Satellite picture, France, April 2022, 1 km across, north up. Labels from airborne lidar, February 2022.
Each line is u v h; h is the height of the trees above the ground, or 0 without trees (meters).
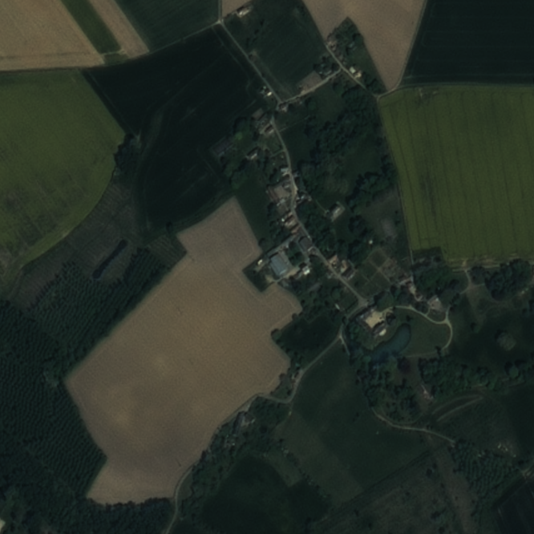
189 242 0
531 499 0
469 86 0
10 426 26
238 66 0
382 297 17
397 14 0
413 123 0
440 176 0
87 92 0
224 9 0
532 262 0
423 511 0
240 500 0
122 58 0
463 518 0
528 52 0
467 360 0
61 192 0
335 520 0
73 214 0
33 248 0
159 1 0
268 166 15
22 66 0
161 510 31
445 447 0
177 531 0
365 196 22
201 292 0
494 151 0
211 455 16
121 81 0
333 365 0
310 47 0
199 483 10
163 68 0
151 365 0
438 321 0
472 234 0
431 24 0
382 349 0
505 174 0
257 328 0
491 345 0
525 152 0
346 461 0
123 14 0
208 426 0
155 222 0
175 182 0
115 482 0
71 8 0
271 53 0
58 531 23
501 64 0
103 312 25
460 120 0
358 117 17
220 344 0
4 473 35
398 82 0
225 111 0
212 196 0
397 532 0
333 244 27
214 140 0
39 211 0
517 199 0
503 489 7
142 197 0
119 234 0
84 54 0
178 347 0
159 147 0
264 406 9
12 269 0
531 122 0
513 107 0
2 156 0
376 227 0
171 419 0
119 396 0
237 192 0
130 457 0
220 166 0
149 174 0
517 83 0
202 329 0
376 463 0
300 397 0
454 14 0
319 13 0
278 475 0
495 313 0
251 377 0
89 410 0
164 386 0
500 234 0
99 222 0
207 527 11
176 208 0
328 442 0
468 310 0
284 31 0
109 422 0
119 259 0
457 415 0
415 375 0
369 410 0
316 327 0
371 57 0
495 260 0
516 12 0
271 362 0
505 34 0
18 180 0
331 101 0
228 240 0
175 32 0
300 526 0
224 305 0
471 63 0
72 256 0
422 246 0
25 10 0
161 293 0
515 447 0
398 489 0
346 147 21
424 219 0
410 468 0
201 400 0
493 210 0
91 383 0
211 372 0
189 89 0
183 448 0
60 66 0
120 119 0
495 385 28
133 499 0
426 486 0
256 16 0
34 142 0
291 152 0
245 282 0
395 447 0
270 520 0
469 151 0
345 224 0
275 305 0
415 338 0
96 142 0
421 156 0
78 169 0
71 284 24
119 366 0
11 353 8
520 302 0
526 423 0
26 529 12
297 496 0
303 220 19
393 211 0
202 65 0
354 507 0
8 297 0
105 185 0
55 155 0
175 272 0
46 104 0
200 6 0
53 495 29
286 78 0
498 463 24
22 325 24
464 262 0
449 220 0
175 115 0
